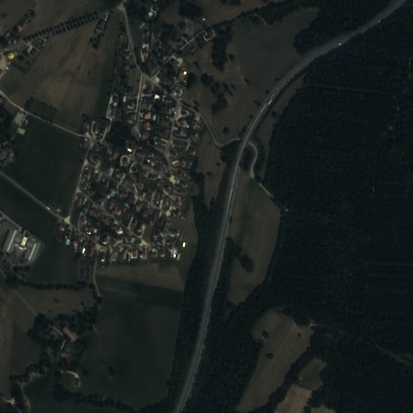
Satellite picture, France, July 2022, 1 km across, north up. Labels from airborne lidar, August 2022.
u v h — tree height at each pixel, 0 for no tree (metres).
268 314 0
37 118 0
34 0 0
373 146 15
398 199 21
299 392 0
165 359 0
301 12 0
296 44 11
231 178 0
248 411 0
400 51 26
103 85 0
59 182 0
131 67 7
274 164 13
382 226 20
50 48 0
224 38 20
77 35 0
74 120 0
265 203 0
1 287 0
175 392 7
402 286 26
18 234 0
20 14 0
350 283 11
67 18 0
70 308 0
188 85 13
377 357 14
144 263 0
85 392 0
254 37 0
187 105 7
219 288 7
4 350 0
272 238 0
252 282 0
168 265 0
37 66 0
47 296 0
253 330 0
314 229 18
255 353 17
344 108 19
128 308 0
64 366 20
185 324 12
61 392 17
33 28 0
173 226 0
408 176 10
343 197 16
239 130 0
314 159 14
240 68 0
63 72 0
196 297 12
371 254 18
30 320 0
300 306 18
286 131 15
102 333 0
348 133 18
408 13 14
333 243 16
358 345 18
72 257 0
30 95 0
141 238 0
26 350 0
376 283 21
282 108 0
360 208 16
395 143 17
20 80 0
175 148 0
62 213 0
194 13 25
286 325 0
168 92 11
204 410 19
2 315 0
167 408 7
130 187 0
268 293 19
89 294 0
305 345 0
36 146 0
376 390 21
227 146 12
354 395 22
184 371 8
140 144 11
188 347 12
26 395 0
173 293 0
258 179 15
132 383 0
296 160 12
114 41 0
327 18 19
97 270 0
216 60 11
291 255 13
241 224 0
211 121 0
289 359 0
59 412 0
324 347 18
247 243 0
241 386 14
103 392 0
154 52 10
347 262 16
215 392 20
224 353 15
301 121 18
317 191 16
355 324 15
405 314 14
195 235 0
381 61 24
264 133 0
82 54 0
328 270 16
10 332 0
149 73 14
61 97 0
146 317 0
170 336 0
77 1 0
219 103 15
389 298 18
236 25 0
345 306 14
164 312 0
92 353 0
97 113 0
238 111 0
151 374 0
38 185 0
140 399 0
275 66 0
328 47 0
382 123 23
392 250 19
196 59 0
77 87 0
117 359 0
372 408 24
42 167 0
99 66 0
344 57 19
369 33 12
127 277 0
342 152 13
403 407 20
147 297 0
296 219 13
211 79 17
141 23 0
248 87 0
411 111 15
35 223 0
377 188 18
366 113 20
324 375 14
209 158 0
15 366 0
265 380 0
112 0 0
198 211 9
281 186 14
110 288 0
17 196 0
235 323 15
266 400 0
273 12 14
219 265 0
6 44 16
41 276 0
